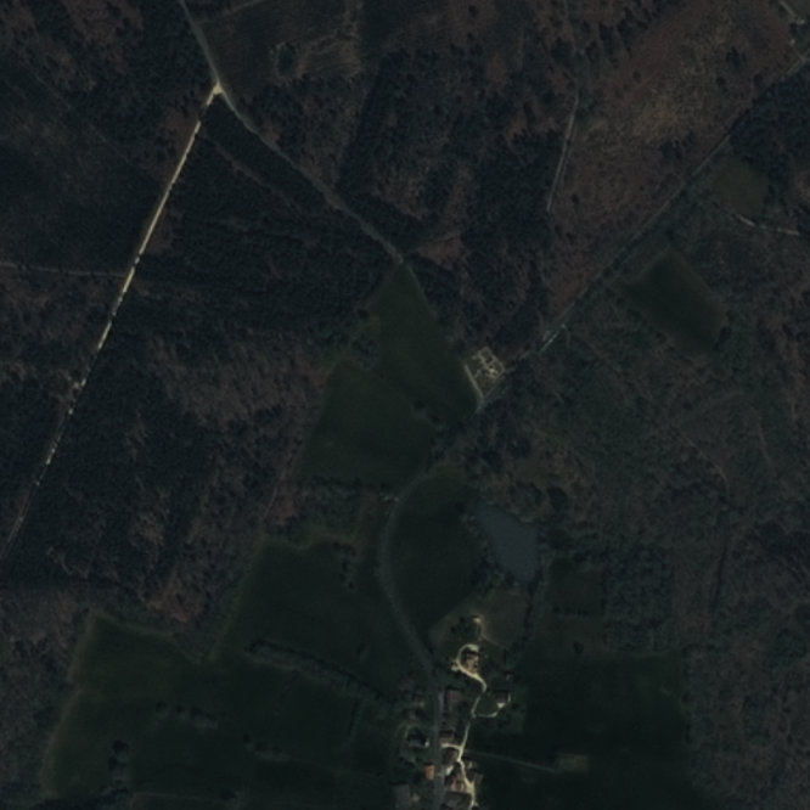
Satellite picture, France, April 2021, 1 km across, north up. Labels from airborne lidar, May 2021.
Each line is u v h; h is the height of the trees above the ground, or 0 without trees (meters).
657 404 7
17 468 14
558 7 14
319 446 0
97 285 9
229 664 0
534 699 0
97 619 0
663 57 0
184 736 0
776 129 23
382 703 14
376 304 0
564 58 17
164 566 11
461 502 0
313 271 15
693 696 8
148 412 13
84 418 14
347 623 0
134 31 15
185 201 12
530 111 15
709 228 17
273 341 12
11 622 13
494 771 0
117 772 19
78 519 14
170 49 12
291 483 9
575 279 7
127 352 16
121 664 0
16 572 14
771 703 15
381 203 14
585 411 24
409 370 0
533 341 8
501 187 12
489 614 0
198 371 14
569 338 7
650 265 13
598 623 0
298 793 0
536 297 17
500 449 9
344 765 0
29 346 13
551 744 0
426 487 0
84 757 0
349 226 12
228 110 16
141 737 0
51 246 7
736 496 10
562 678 0
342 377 0
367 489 12
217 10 13
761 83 9
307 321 14
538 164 7
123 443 11
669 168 7
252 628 0
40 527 14
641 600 23
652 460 15
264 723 0
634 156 0
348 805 0
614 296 13
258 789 0
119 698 0
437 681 11
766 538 9
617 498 14
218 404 14
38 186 10
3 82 7
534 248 10
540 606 18
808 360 17
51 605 16
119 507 12
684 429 11
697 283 0
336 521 25
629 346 8
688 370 7
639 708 0
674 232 16
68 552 13
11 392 12
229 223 10
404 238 17
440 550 0
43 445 14
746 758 8
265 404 13
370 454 0
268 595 0
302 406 13
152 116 13
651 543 21
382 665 0
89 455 12
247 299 16
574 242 15
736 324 21
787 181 23
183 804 0
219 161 12
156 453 14
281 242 14
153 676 0
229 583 12
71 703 15
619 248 12
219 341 19
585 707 0
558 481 6
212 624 14
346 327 14
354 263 16
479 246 17
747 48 0
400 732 0
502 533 0
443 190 12
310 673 18
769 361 13
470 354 18
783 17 16
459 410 0
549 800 0
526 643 10
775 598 14
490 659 0
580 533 16
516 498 16
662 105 0
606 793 0
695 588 9
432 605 0
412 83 15
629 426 20
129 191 7
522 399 22
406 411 0
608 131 0
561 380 16
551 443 12
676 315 0
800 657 12
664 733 0
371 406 0
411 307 0
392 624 0
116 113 11
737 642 15
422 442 0
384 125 16
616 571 15
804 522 10
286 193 16
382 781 0
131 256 9
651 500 15
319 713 0
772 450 18
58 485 15
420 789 16
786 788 20
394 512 0
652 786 0
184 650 13
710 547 13
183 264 11
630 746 0
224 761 0
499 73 0
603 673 0
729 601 18
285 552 0
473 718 10
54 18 15
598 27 0
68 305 10
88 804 0
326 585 0
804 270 12
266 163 16
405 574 0
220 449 11
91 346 12
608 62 19
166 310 13
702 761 7
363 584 0
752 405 13
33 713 21
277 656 17
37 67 11
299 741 0
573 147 10
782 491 13
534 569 0
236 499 12
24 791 19
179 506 11
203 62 12
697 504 19
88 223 7
